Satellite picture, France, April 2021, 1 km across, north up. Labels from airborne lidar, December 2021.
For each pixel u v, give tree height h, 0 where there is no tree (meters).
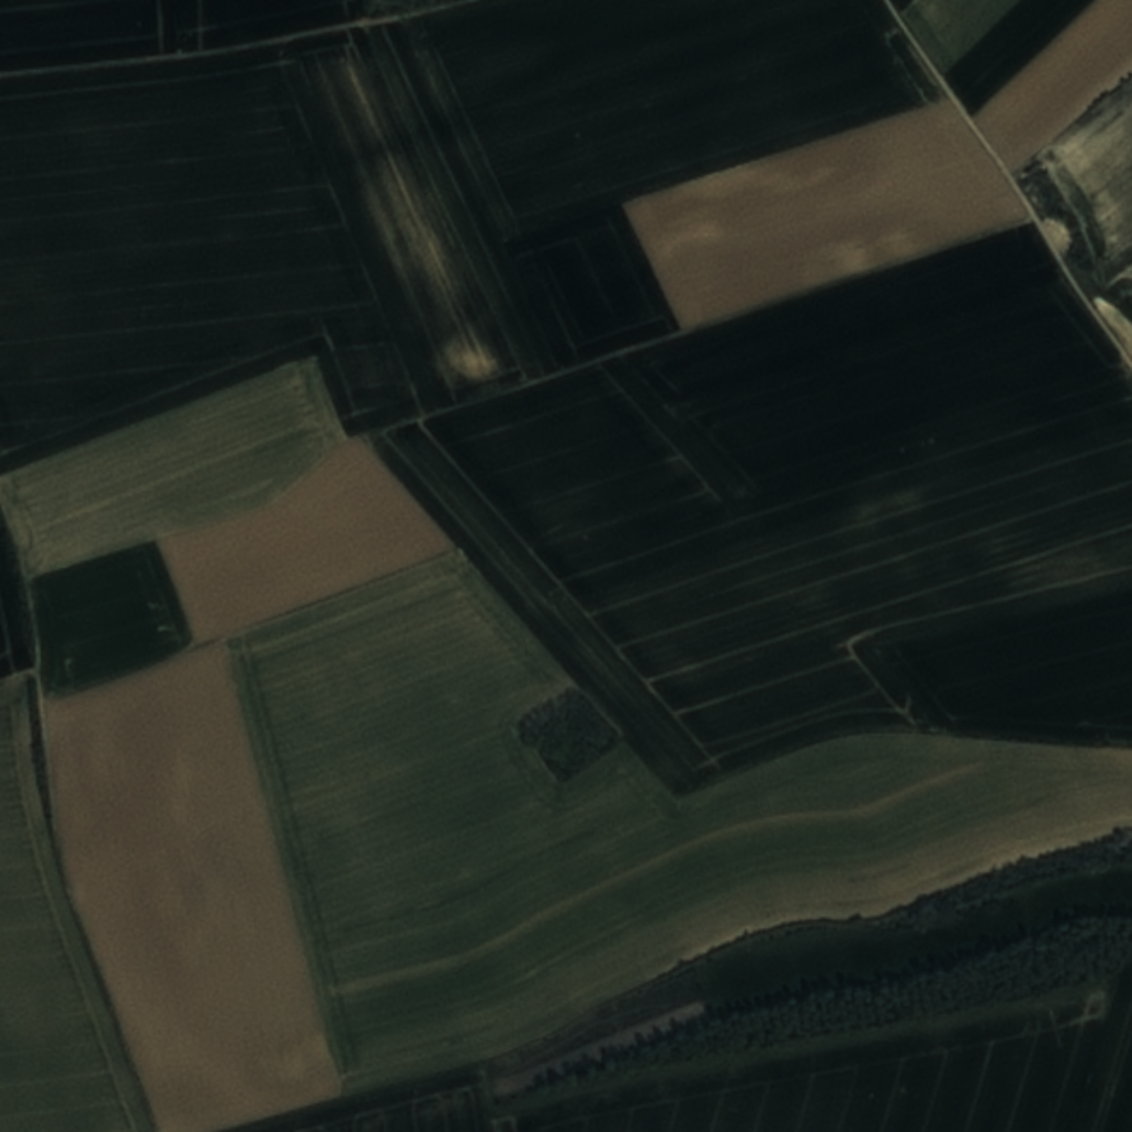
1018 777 0
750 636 0
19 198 0
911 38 0
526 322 0
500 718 0
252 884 0
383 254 0
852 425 0
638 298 0
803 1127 0
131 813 0
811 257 0
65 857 0
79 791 0
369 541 0
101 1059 0
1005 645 0
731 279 0
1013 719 0
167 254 0
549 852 0
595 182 0
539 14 0
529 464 0
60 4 0
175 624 0
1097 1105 0
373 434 0
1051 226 0
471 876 0
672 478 0
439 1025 0
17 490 0
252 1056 0
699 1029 13
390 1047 0
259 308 0
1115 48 0
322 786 0
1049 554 0
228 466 0
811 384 0
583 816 0
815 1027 17
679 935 0
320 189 0
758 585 0
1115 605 0
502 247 0
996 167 0
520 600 0
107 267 0
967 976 19
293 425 0
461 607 0
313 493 0
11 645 0
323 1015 0
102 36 0
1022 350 0
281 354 0
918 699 0
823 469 0
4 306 0
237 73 0
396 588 0
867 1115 0
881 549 0
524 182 0
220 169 0
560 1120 0
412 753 0
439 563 0
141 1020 0
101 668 0
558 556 0
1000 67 0
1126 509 0
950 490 0
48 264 0
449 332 0
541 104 0
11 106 0
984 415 0
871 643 0
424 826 0
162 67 0
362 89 0
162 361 0
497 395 0
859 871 0
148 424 0
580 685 0
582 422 0
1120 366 0
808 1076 0
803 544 0
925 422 0
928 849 0
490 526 0
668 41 0
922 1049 0
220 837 0
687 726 0
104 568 0
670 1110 0
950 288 0
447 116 0
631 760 0
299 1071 0
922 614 0
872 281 0
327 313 0
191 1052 0
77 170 0
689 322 0
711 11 0
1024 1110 0
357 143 0
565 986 0
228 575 0
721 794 0
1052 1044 0
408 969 0
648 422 0
